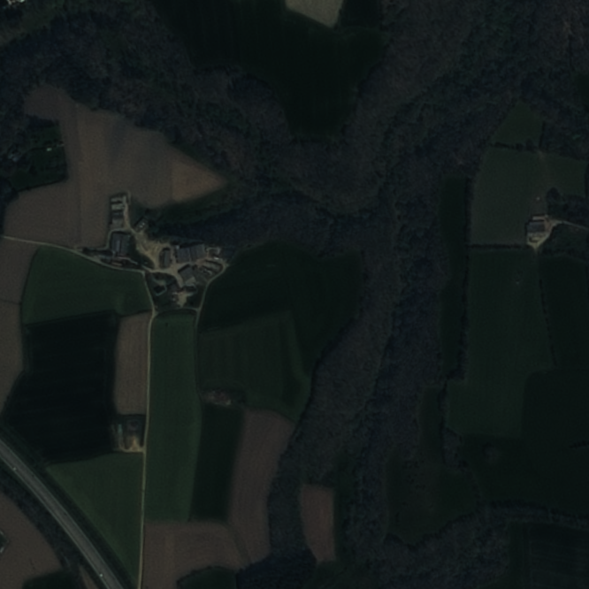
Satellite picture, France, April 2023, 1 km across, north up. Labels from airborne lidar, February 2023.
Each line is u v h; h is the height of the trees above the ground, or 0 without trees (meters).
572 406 0
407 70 23
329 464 17
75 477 0
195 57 0
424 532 0
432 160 17
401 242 15
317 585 0
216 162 19
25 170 6
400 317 8
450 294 0
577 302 0
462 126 19
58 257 0
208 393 0
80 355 0
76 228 0
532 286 0
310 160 24
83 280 0
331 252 15
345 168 18
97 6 31
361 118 14
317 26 0
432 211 13
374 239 15
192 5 0
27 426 0
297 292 0
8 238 0
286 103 0
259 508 0
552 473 0
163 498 0
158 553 0
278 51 0
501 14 9
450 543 21
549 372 0
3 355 0
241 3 0
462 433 0
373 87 25
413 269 11
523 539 0
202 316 0
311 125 0
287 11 0
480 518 18
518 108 0
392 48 14
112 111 14
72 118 0
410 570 20
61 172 8
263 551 0
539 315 0
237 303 0
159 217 0
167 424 0
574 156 16
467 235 13
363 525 7
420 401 11
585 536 0
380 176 18
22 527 0
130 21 29
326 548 0
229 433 0
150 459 0
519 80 7
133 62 22
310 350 0
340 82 0
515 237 0
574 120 14
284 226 20
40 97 0
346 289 0
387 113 19
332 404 22
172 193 0
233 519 0
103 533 0
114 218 0
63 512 0
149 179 0
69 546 11
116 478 0
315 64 0
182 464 0
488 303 0
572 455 0
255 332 0
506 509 16
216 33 0
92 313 0
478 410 0
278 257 0
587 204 11
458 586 17
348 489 0
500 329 0
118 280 0
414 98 9
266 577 22
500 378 0
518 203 0
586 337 0
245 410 0
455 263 0
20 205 0
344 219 6
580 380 0
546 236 0
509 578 0
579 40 12
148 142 0
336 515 0
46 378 0
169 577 0
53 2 32
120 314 0
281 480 13
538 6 23
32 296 0
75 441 0
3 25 19
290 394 0
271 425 0
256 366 0
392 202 14
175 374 0
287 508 17
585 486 0
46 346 0
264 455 0
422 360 21
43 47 26
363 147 22
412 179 18
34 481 0
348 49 0
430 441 0
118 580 0
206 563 0
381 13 8
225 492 0
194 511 0
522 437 0
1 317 0
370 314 20
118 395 0
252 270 0
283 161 19
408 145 17
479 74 31
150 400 0
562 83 21
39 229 0
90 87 26
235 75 13
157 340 0
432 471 0
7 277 0
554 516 14
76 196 0
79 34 21
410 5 14
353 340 22
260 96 20
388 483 0
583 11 16
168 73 24
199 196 0
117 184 0
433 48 22
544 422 0
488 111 19
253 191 17
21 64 20
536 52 20
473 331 0
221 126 28
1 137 29
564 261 0
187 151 0
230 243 15
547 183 0
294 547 18
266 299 0
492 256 0
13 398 0
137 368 0
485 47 28
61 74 26
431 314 21
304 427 15
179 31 0
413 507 0
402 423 18
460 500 0
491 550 17
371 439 23
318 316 0
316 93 0
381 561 28
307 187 24
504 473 0
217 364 0
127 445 0
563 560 0
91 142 0
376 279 17
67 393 0
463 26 24
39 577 0
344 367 23
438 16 16
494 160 0
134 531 0
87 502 0
